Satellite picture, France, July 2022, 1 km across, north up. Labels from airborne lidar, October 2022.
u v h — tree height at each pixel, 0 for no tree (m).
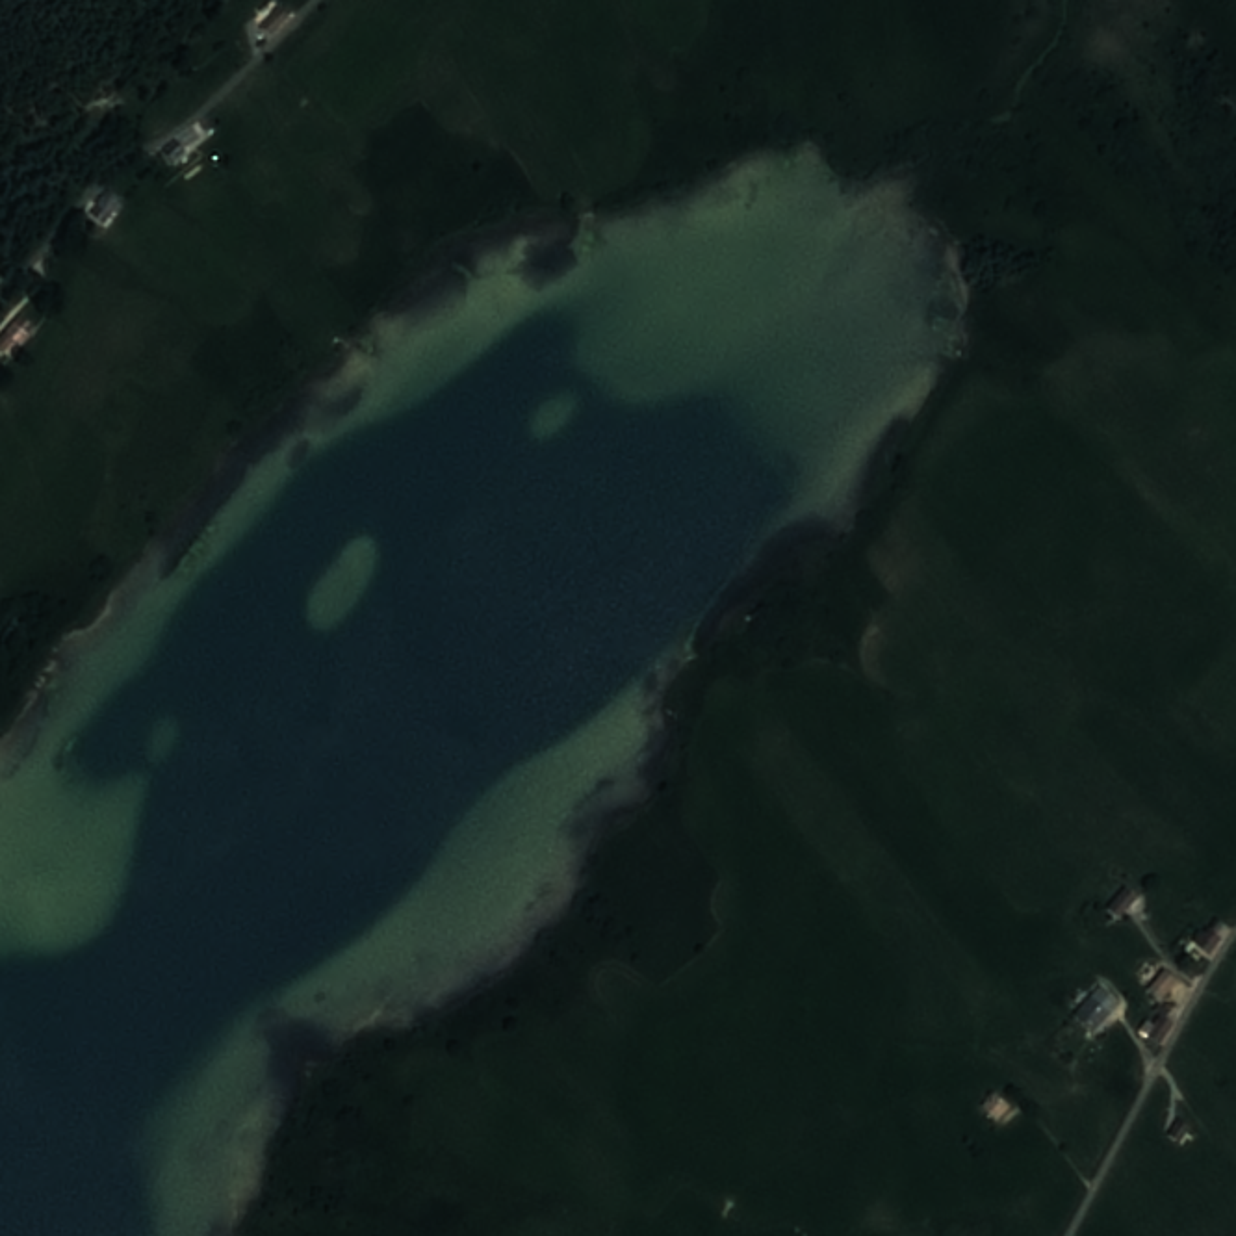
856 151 0
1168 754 0
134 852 0
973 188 0
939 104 0
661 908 0
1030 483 0
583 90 0
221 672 0
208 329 0
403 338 0
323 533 0
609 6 0
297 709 0
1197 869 0
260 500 0
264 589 0
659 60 0
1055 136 0
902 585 0
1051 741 0
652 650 0
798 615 6
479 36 0
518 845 0
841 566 0
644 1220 0
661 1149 0
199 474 0
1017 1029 0
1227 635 0
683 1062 0
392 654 0
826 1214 0
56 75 21
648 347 0
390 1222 0
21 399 0
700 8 0
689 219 0
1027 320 0
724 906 0
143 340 0
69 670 0
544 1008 0
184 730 0
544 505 0
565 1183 0
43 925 0
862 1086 0
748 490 0
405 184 0
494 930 0
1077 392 0
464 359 0
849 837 0
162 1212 0
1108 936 0
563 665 0
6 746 0
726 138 0
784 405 0
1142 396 0
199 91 0
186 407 0
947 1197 0
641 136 0
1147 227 0
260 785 0
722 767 0
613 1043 0
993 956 0
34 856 0
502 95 0
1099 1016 0
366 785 0
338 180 0
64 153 12
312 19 0
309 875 0
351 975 0
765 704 0
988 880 0
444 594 0
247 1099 0
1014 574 0
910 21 0
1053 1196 0
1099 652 0
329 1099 6
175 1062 0
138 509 0
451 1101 0
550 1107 0
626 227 0
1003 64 0
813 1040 0
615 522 0
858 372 0
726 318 0
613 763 0
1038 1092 0
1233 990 0
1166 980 0
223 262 0
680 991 0
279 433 0
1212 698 0
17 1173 0
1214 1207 0
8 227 23
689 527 0
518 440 0
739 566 0
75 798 0
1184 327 0
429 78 0
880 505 0
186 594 0
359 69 0
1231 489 0
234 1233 0
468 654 0
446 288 0
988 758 0
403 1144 0
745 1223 0
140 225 0
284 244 0
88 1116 0
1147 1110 0
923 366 0
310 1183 0
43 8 20
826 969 0
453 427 0
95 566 6
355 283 0
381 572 0
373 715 0
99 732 0
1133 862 0
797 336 0
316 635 0
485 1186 0
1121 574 0
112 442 0
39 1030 0
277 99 0
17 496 0
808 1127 0
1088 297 0
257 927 0
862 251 0
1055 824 0
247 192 0
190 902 0
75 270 0
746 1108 0
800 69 0
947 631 0
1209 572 0
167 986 0
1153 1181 0
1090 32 0
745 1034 0
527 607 0
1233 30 0
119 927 0
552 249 0
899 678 0
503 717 0
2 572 0
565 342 0
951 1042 0
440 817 0
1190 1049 0
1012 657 0
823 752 0
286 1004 0
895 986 0
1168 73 0
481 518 0
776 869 0
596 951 0
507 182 0
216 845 0
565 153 0
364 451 0
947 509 0
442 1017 0
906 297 0
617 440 0
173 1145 0
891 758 0
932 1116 0
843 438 0
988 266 12
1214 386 0
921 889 0
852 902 0
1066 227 0
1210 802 0
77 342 0
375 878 0
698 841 0
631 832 0
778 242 0
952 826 0
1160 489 0
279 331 0
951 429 0
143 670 0
